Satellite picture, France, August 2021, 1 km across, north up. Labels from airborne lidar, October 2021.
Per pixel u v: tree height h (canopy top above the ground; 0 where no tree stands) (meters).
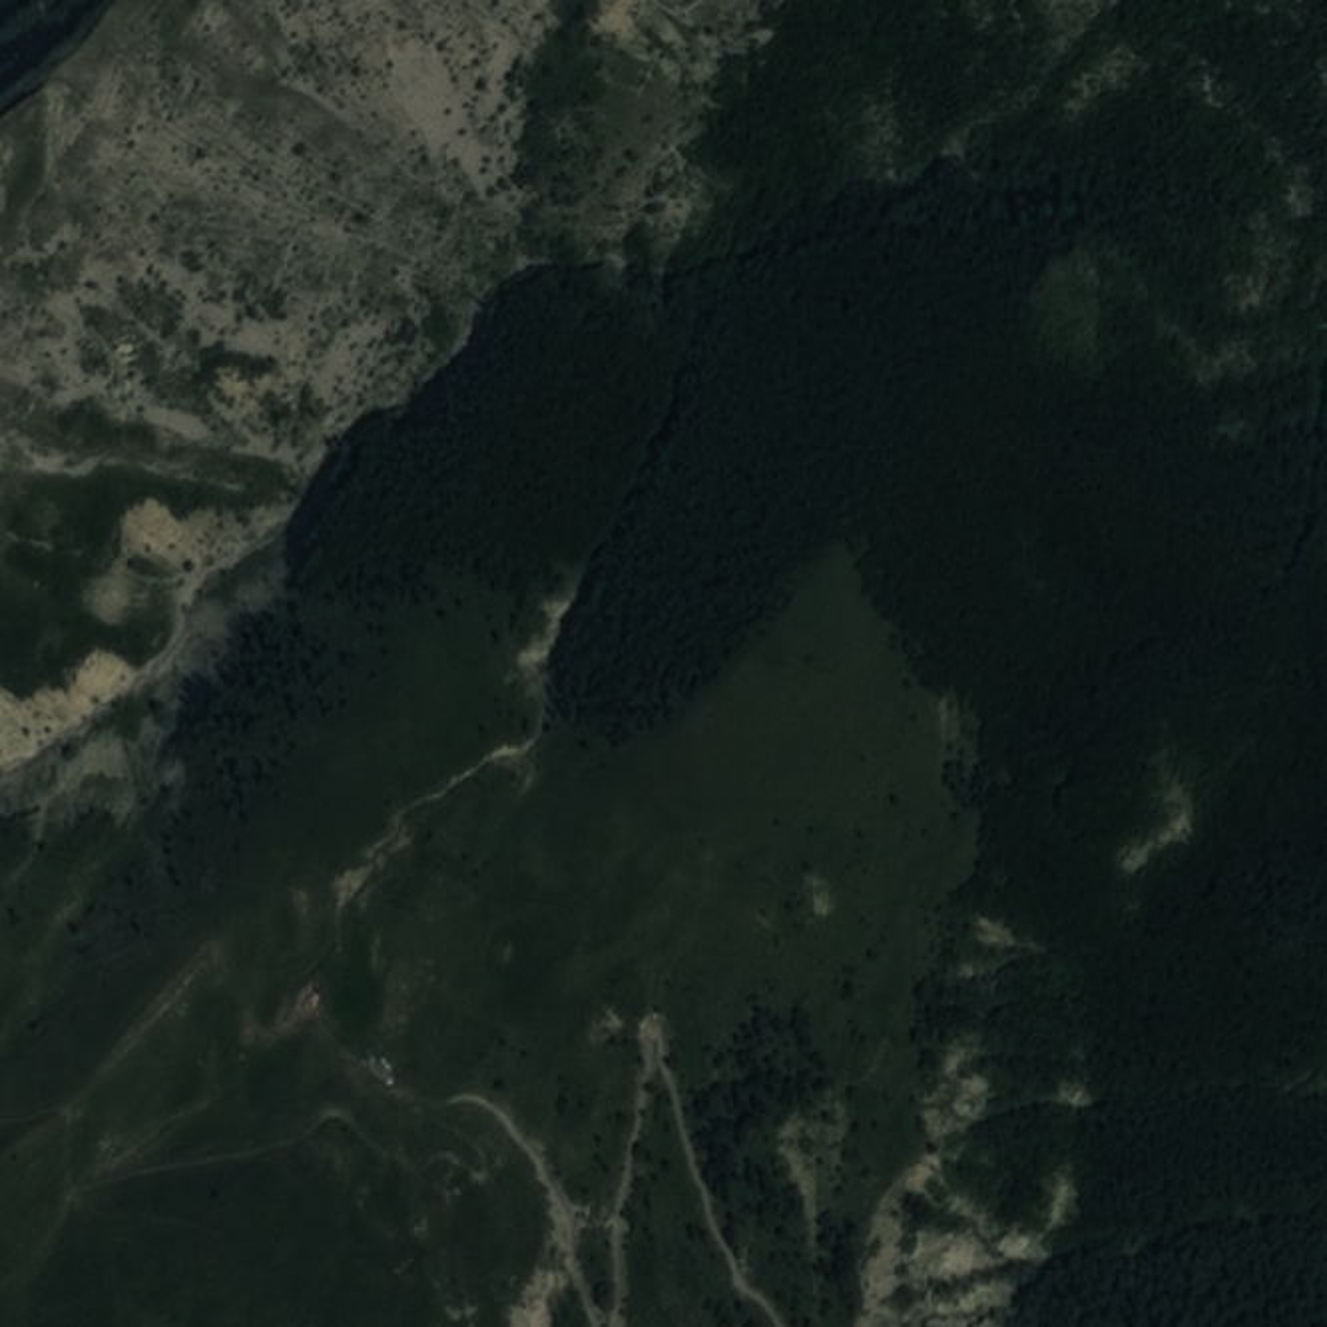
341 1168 0
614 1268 0
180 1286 0
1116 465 16
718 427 13
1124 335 10
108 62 0
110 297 0
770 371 15
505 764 0
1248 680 12
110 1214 0
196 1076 0
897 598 8
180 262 0
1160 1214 15
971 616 12
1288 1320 26
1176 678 15
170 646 0
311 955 0
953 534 13
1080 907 11
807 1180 0
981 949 6
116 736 0
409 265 0
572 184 7
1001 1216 11
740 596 14
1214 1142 17
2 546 0
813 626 0
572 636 12
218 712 7
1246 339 13
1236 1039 15
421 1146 0
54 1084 0
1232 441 7
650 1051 0
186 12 0
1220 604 21
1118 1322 18
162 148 0
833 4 8
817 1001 0
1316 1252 23
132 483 0
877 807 0
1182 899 17
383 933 0
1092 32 9
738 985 0
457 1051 0
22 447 0
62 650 0
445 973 0
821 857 0
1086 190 21
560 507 14
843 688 0
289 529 0
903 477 12
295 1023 0
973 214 20
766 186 13
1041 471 16
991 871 11
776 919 0
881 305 19
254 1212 0
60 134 0
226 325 0
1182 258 8
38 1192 0
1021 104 7
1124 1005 19
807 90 9
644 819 0
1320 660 15
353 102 0
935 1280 7
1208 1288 20
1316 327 10
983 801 12
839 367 17
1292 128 9
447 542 9
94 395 0
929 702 0
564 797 0
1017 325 10
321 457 0
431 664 0
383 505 17
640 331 9
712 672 8
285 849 0
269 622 7
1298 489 21
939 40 10
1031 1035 17
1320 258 9
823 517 10
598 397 14
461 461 14
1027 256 20
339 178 8
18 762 0
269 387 0
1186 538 20
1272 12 9
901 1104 0
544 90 0
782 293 17
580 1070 0
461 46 0
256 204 0
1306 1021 16
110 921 0
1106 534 14
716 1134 11
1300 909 18
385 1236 0
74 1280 0
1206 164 19
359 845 0
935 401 13
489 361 10
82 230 0
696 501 12
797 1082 10
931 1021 11
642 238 12
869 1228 0
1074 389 12
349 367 0
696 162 6
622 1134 0
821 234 16
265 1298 0
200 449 0
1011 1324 11
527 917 0
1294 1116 13
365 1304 0
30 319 0
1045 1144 16
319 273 0
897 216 27
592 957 0
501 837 0
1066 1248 16
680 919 0
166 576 0
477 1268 0
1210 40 11
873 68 13
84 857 0
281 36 0
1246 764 11
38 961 0
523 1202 0
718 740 0
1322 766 18
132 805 0
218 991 0
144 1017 0
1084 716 14
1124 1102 20
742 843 0
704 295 18
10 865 0
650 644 15
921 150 7
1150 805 6
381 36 0
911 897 0
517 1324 0
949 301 19
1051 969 12
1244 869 11
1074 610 15
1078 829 12
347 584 8
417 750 0
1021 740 15
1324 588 11
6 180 0
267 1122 0
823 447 12
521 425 9
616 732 8
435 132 0
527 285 11
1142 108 17
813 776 0
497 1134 0
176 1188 0
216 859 0
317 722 0
